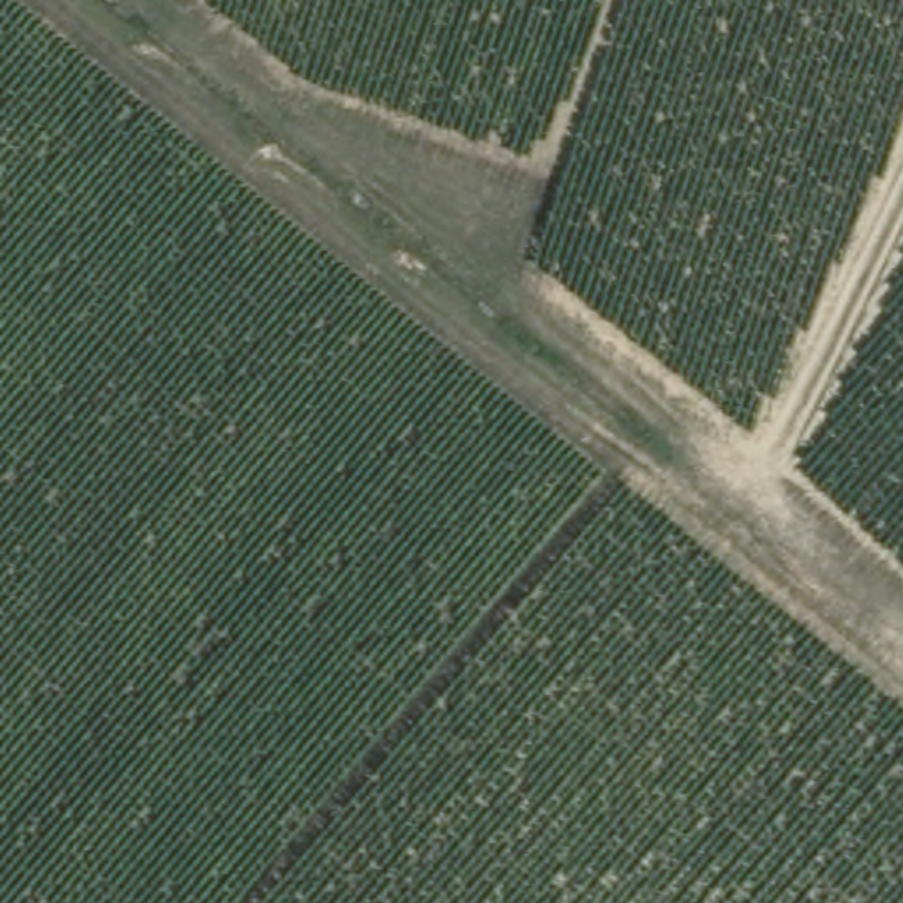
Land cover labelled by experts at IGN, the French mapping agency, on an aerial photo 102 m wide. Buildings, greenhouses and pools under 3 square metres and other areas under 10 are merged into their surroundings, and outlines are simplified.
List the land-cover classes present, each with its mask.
<instances>
[{"label":"vineyard","instance_id":"1","mask_svg":"<svg viewBox=\"0 0 903 903\"><path fill-rule=\"evenodd\" d=\"M596 476V466H589L571 444H564L547 423L529 416L511 395L497 392L480 374V367L459 360L441 339L427 335L402 310L384 303L370 282L353 275L321 243L303 236L293 222H286L265 198L250 194L240 183V176L226 173L212 159V148L173 131L159 113L138 102L127 88L113 85L106 71L92 67L78 49L60 42L14 0H0V903H903V705L882 688H875V681L861 674L847 656L829 649L818 635H811L808 624L790 617L748 578L730 571L688 529L670 522L642 494H635L624 476L607 480L564 522L561 515L568 511V504L582 497L586 480ZM219 14L236 21L268 53H275L293 74L335 92L384 102L399 113L430 120L437 127L462 131L466 138L494 134L511 152H529L533 141H540L550 131L557 102L568 99L575 106V116L550 166L540 205L533 212L526 261H533L543 275L557 279L564 289L586 300L600 317L617 325L631 342H638L663 367H670L677 377L698 388L744 430L755 427L762 399L780 392V381L790 370L787 353L797 332L811 325L829 268L843 257L857 215L864 208L868 187L885 173L896 131L903 123V0H208ZM801 473L811 476L843 511H850L878 543L896 550V557L903 561V261L889 275V293L882 300L875 325L864 339H857L854 360L840 374V392L829 399L822 427L811 434V441L797 448Z\"/></svg>","mask_w":903,"mask_h":903},{"label":"herbaceous vegetation","instance_id":"2","mask_svg":"<svg viewBox=\"0 0 903 903\"><path fill-rule=\"evenodd\" d=\"M60 42L78 49L92 67L106 71L113 85L127 88L138 102L159 113L173 131L212 148V159L226 173L240 176V183L250 194L265 198L286 222H293L303 236L321 243L353 275L370 282L384 303L402 310L427 335L441 339L459 360L480 367V374L497 392L511 395L529 416L547 423L564 444H571L589 466H596V476L586 480L582 497L568 504V511L561 515L564 522L607 480L624 476L635 494H642L670 522L688 529L730 571L748 578L790 617L808 624L811 635H818L829 649L847 656L861 674L875 681V688H882L903 705V561L896 557V550L878 543L850 511H843L811 476L801 473L797 448L811 441V434L822 427L829 399L840 392V374L854 360L857 339H864L875 325L882 300L889 293V275L903 261V123L896 131L885 173L868 187L864 208L857 215L843 257L829 268L811 325L797 332L787 353L790 370L780 381V392L762 399L755 427L744 430L698 388L677 377L670 367H663L638 342H631L617 325L600 317L586 300L564 289L557 279L543 275L533 261H526L533 212L540 205L550 166L575 116V106L568 99L557 102L550 131L540 141H533L529 152H511L494 134L466 138L462 131L437 127L430 120L399 113L384 102L335 92L293 74L275 53H268L236 21L219 14L208 0H14Z\"/></svg>","mask_w":903,"mask_h":903}]
</instances>
